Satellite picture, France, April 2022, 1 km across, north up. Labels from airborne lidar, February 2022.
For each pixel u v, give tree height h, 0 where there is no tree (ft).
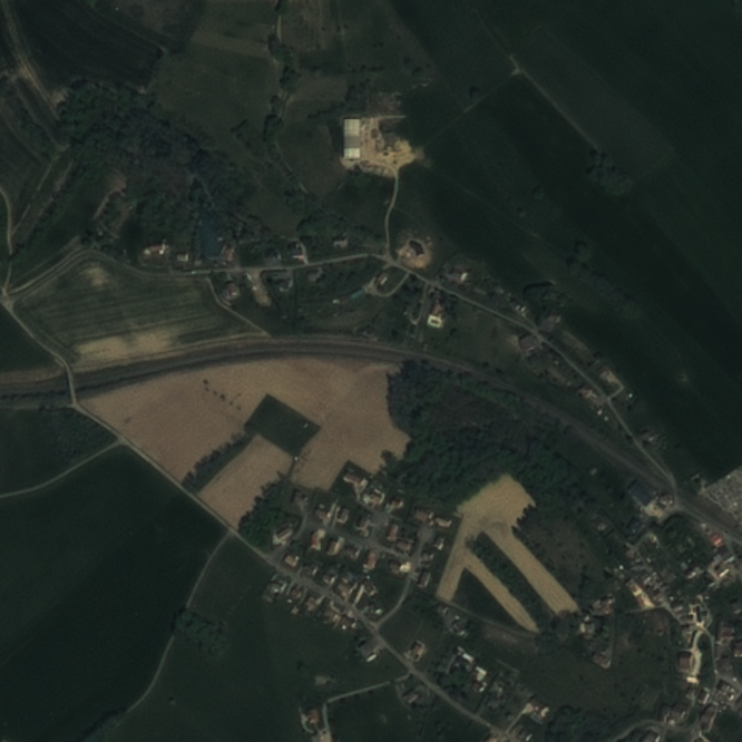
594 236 0
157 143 81
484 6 0
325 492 0
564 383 0
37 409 0
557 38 0
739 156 0
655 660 0
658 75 0
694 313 0
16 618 0
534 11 0
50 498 0
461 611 0
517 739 0
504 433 29
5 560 0
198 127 0
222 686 0
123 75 0
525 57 0
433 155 0
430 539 0
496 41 0
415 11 0
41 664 0
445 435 45
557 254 0
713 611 39
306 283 0
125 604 0
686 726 0
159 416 0
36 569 0
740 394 0
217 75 0
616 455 0
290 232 0
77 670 0
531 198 0
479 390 48
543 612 28
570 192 0
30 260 0
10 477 0
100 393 0
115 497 0
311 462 0
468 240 0
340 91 0
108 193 0
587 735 45
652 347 0
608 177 74
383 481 0
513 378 0
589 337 0
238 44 0
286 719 0
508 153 0
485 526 0
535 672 0
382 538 0
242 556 0
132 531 0
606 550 0
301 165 0
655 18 0
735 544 0
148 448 0
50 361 0
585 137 0
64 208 64
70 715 0
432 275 0
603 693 0
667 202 0
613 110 0
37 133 77
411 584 0
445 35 0
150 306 0
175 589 0
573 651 0
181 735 0
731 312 0
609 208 0
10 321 0
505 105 0
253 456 0
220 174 91
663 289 0
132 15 0
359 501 0
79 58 0
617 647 0
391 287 0
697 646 0
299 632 0
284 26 0
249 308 0
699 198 0
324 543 0
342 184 0
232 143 0
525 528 60
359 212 0
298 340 0
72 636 0
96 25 0
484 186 0
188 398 0
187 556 0
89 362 0
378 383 0
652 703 0
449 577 0
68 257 0
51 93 0
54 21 0
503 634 0
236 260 0
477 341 0
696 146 0
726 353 0
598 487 0
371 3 0
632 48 0
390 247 0
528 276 0
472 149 0
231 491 0
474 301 0
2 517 0
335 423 0
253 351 0
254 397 0
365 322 0
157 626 0
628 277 0
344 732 0
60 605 0
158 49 0
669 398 0
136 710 0
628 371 0
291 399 0
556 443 20
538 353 40
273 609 0
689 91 0
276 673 0
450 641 0
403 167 0
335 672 0
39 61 0
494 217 0
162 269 0
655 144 0
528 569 0
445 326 0
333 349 0
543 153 0
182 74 0
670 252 0
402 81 0
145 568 0
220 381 0
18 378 0
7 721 0
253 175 0
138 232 0
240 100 0
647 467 0
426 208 0
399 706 0
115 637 0
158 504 0
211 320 0
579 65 0
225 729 0
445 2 0
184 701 0
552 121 0
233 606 0
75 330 0
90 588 0
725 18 0
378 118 0
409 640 0
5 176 0
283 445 0
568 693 0
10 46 0
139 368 0
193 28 0
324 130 0
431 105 0
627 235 0
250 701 0
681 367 0
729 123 0
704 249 0
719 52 0
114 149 52
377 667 0
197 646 48
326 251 0
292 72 39
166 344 0
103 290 0
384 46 29
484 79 0
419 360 0
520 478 52
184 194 61
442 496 83
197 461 0
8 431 0
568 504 87
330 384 0
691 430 0
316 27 0
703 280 0
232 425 0
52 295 0
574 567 0
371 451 0
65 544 0
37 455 0
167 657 0
